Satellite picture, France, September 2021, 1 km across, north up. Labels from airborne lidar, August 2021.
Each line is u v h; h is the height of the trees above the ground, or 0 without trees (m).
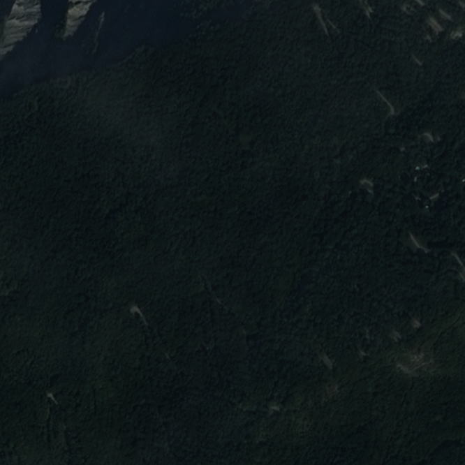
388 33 15
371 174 16
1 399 21
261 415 21
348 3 18
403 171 6
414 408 13
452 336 14
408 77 17
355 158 22
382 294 17
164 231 24
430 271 11
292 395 19
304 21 16
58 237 23
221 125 18
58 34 14
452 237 16
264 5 24
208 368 22
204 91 34
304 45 19
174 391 18
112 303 20
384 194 23
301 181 24
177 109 21
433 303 19
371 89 20
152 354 20
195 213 23
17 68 0
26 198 17
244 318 24
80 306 13
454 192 12
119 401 20
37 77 0
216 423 25
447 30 11
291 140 23
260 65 18
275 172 21
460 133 35
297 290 27
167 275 21
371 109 14
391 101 19
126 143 20
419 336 16
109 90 25
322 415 18
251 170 18
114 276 19
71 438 18
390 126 26
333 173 17
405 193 12
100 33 0
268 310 33
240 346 24
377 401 17
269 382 31
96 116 22
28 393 20
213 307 20
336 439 23
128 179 26
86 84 24
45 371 18
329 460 35
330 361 18
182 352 25
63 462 17
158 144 25
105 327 18
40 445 19
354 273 20
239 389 20
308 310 30
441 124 6
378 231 21
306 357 14
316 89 18
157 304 23
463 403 24
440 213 21
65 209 20
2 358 20
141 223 20
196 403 27
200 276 15
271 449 28
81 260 23
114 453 27
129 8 0
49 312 24
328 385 11
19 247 24
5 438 18
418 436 20
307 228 25
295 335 24
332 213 31
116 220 32
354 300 26
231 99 23
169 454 19
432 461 39
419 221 6
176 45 26
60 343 21
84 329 30
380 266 23
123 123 25
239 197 29
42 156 19
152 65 34
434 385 17
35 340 22
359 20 17
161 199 24
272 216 27
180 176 26
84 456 21
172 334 25
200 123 20
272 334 22
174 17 14
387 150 23
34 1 0
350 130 19
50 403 12
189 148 25
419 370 7
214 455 25
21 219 19
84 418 23
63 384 22
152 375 18
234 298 25
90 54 16
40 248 19
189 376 25
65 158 18
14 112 20
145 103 19
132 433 21
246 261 30
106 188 23
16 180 20
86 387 20
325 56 19
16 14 0
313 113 22
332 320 27
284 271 26
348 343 21
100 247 21
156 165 24
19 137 25
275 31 22
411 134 28
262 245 27
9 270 17
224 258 23
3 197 18
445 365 10
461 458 36
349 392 15
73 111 30
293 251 29
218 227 26
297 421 8
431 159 20
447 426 35
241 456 27
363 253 19
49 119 26
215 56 24
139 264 21
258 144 9
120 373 18
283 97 19
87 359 18
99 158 18
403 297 23
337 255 28
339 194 19
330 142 21
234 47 29
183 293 16
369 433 26
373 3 16
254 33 33
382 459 16
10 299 15
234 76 35
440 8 10
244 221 24
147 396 22
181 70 26
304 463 31
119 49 0
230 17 13
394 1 19
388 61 18
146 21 0
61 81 15
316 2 16
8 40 0
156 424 23
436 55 16
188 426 24
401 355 7
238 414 19
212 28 22
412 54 12
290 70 19
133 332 21
